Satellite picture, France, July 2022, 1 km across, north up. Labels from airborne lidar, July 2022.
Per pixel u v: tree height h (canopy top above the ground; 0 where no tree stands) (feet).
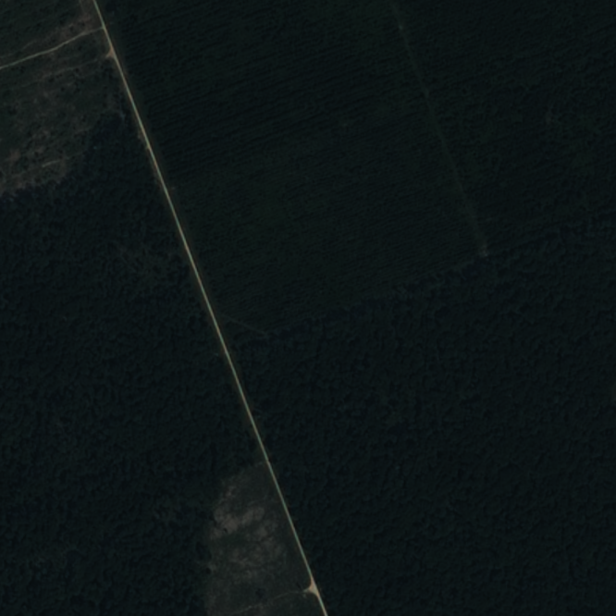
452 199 0
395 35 18
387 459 93
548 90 33
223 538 0
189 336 82
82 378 83
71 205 89
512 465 85
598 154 31
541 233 28
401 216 26
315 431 85
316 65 25
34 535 89
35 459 81
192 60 27
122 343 87
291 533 0
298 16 27
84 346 83
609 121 31
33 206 83
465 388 84
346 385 87
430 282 66
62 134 20
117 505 80
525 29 20
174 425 83
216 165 21
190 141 21
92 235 71
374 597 89
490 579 86
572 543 74
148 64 27
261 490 0
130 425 84
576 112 32
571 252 77
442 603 78
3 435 93
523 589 78
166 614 87
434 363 89
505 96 38
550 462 90
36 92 0
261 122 24
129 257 73
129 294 75
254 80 27
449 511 83
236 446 92
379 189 20
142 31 25
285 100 26
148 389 89
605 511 73
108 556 90
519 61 39
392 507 89
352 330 58
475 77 26
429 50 37
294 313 21
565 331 81
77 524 84
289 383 88
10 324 94
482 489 59
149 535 85
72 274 86
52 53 0
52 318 84
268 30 31
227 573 0
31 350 88
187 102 25
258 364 86
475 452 94
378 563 80
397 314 84
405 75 18
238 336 27
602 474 90
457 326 87
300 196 20
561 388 73
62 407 80
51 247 83
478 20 21
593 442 80
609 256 41
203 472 99
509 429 79
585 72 24
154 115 23
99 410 82
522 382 80
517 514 67
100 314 79
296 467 79
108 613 105
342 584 90
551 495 81
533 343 79
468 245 20
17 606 94
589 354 78
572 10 20
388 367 98
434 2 20
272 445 81
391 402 37
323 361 95
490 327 78
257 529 0
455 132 27
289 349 74
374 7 0
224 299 25
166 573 85
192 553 100
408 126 24
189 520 103
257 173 21
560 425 86
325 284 21
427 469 76
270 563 0
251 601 0
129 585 97
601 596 88
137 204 27
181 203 21
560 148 35
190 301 49
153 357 61
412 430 74
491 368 88
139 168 76
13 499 52
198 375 93
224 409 83
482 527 84
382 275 22
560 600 98
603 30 28
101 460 40
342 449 90
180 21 24
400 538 84
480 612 49
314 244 19
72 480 80
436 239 20
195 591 22
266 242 19
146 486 82
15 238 78
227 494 0
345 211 25
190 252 0
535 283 81
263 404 48
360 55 18
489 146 21
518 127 25
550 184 21
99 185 87
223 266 18
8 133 0
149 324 89
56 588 102
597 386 83
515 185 25
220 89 29
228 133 26
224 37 30
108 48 0
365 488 65
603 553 81
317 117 25
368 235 22
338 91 30
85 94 0
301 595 0
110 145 73
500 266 44
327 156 27
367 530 84
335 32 18
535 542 87
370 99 20
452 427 79
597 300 83
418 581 74
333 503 91
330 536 83
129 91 0
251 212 21
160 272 66
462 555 69
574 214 25
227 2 23
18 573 99
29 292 87
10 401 92
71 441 76
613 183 29
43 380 94
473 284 87
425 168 19
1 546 83
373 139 26
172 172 19
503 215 29
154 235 73
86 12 0
